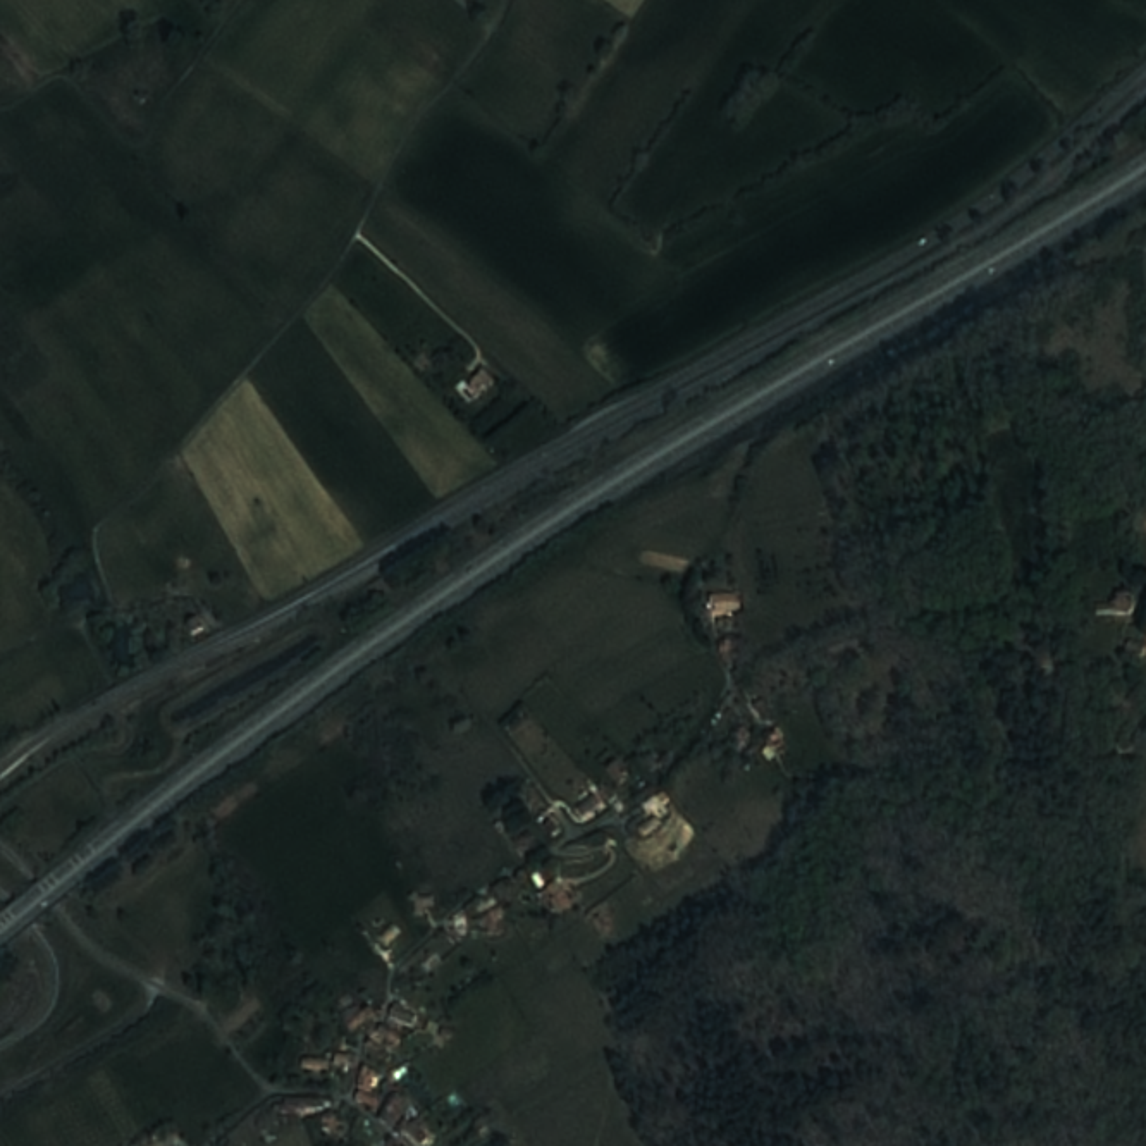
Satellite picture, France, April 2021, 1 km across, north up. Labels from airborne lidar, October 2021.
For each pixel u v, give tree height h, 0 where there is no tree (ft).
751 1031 37
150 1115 0
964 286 0
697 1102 45
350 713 24
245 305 0
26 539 0
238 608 0
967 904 68
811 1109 64
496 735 0
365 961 0
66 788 0
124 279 0
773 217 0
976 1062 74
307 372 0
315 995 36
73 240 0
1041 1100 73
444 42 0
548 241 0
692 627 21
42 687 0
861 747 40
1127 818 65
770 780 0
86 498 0
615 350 0
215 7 42
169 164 0
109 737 35
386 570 39
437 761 0
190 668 0
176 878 0
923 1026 87
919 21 0
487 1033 0
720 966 41
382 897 0
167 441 0
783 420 0
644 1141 39
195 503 0
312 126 0
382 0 0
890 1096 42
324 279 0
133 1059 0
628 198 0
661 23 0
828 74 0
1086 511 74
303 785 0
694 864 0
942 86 0
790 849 77
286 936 27
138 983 0
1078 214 0
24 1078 0
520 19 0
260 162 0
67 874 0
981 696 73
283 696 0
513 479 0
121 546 0
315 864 0
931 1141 79
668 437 0
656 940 44
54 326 0
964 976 73
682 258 0
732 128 43
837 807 82
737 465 0
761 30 0
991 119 0
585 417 0
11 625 0
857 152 0
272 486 0
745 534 0
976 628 76
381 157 0
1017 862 72
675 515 0
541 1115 0
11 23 0
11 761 0
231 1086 0
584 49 0
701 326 0
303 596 0
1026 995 73
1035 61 0
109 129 0
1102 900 89
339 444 0
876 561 63
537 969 0
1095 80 0
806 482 0
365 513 0
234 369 0
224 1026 0
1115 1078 59
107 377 0
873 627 82
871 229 0
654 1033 51
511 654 0
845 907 71
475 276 0
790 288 0
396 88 0
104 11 0
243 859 0
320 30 0
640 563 0
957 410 57
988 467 53
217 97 0
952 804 63
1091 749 73
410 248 0
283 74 0
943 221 0
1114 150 35
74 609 20
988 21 0
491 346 0
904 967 96
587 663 0
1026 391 70
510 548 0
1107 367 0
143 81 0
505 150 0
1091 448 64
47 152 0
